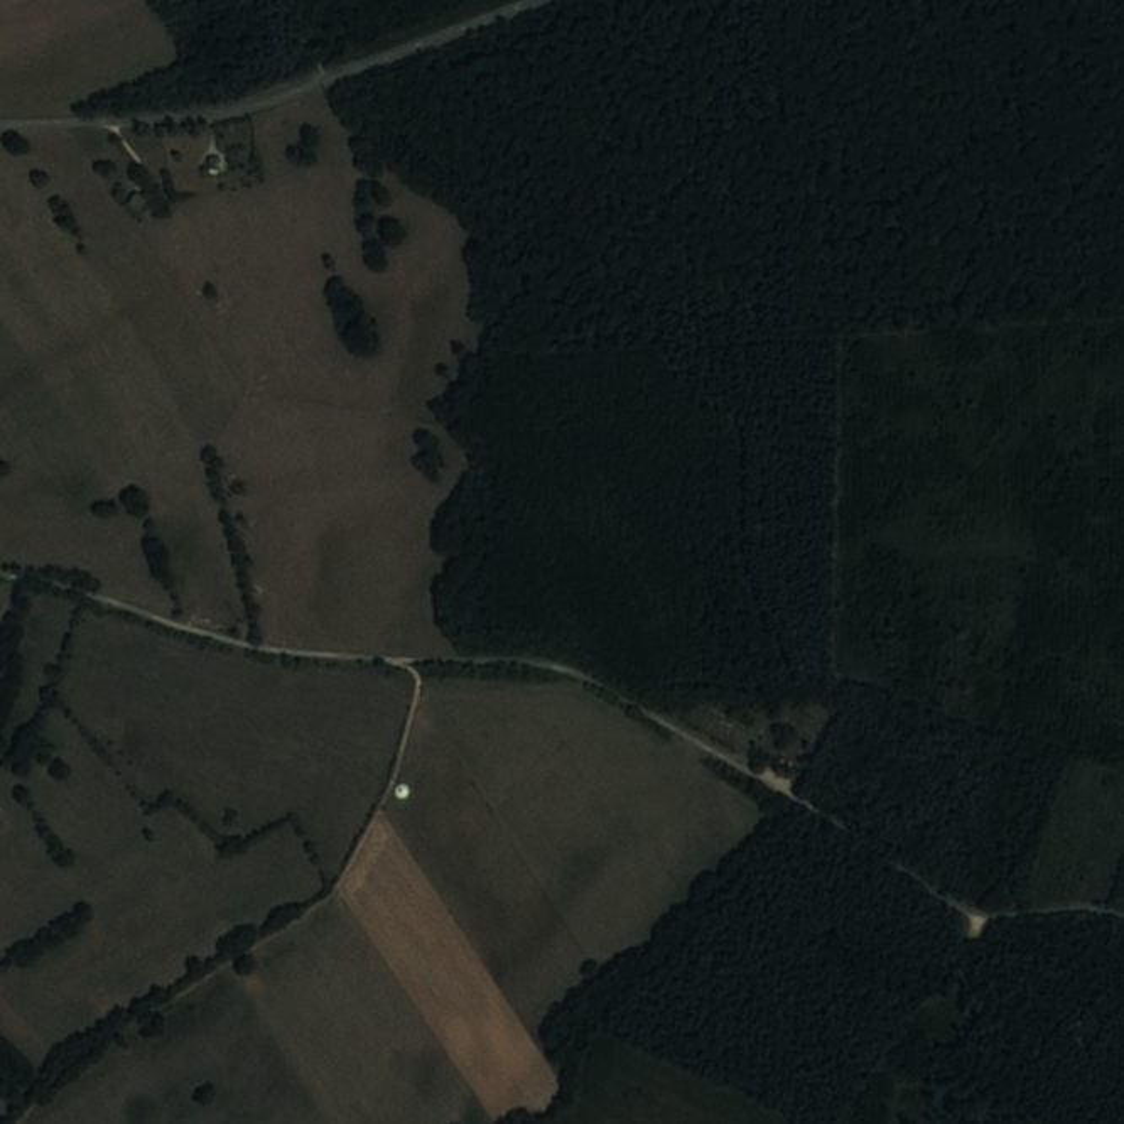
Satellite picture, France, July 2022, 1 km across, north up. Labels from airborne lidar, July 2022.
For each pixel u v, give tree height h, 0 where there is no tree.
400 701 0
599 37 19
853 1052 26
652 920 0
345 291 19
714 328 27
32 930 0
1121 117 21
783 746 13
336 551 0
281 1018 0
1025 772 16
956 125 20
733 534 14
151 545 16
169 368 0
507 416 10
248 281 0
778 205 17
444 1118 0
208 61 10
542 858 0
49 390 0
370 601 0
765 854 26
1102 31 20
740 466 12
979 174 21
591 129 20
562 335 20
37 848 0
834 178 24
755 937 28
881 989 30
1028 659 7
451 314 0
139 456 0
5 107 0
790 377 25
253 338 0
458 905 0
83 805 0
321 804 0
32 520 0
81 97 0
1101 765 9
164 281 0
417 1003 0
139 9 0
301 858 0
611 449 11
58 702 12
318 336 0
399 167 17
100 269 0
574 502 10
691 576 13
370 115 20
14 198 0
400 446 0
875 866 29
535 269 18
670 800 0
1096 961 15
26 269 0
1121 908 10
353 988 0
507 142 20
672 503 12
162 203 12
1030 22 20
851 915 23
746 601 10
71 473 0
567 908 0
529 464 12
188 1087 0
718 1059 26
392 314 0
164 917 0
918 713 21
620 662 15
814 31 20
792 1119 23
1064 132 20
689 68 16
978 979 19
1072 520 8
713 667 8
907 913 28
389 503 0
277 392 0
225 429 0
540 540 10
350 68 0
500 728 0
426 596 0
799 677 18
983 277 28
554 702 0
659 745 0
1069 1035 16
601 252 25
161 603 0
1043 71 22
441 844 0
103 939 0
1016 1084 14
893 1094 7
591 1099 0
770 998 29
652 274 18
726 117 20
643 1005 32
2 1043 18
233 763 0
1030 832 14
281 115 0
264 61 10
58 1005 0
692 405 11
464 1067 0
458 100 22
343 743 0
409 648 0
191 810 11
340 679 0
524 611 13
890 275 25
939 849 19
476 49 12
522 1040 0
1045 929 17
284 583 0
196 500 0
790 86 28
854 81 21
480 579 13
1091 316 22
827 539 23
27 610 18
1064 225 25
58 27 0
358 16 20
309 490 0
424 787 0
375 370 0
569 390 9
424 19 15
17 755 14
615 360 11
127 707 0
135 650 0
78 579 15
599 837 0
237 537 17
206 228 0
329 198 0
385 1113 0
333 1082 0
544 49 16
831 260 20
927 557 0
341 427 0
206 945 0
